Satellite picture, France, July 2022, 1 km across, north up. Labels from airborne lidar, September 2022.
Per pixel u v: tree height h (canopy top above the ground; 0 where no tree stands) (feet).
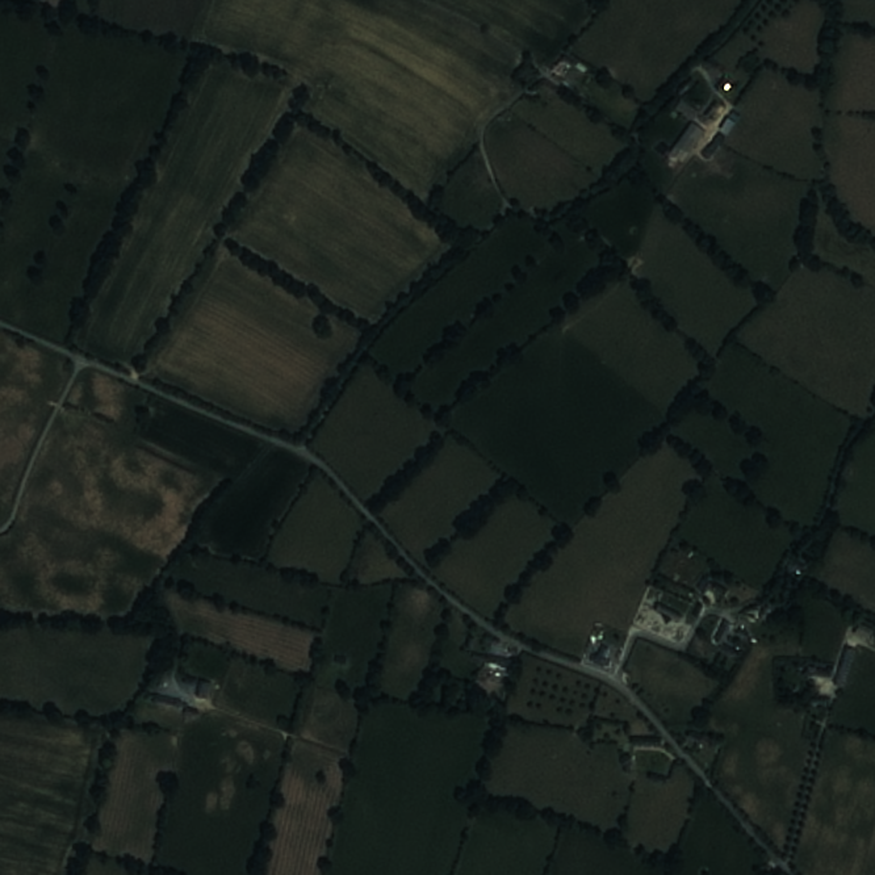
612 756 0
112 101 0
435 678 64
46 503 0
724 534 0
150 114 0
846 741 0
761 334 0
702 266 0
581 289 44
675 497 0
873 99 0
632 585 0
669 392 0
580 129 0
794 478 0
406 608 0
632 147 35
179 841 0
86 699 0
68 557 0
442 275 31
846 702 0
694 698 0
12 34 0
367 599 0
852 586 0
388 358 0
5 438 0
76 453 0
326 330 60
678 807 0
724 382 0
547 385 0
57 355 0
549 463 0
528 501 20
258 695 0
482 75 0
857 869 0
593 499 24
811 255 44
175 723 0
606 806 0
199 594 49
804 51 0
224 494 45
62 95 0
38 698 0
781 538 0
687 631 0
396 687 0
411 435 0
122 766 0
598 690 21
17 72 0
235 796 0
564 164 0
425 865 0
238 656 48
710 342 0
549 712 0
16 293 0
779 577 41
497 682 0
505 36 0
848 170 0
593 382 0
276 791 30
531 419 0
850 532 28
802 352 0
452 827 0
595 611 0
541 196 0
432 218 59
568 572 0
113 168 0
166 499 0
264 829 51
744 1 31
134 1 0
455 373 0
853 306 0
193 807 0
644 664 0
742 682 0
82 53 0
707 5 0
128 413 0
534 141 0
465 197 0
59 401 0
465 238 48
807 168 0
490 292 0
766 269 0
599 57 0
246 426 21
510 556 0
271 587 0
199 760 0
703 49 33
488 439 0
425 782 0
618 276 47
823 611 0
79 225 0
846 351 0
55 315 0
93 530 0
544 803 0
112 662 0
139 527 0
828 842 0
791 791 0
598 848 0
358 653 0
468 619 28
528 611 0
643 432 0
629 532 0
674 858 62
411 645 0
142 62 0
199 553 51
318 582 48
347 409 0
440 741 0
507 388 0
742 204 0
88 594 0
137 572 0
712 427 0
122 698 0
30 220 0
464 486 0
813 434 0
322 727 0
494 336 0
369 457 0
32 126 0
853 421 25
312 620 0
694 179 0
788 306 0
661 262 0
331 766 0
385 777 0
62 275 0
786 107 0
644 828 0
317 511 0
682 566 0
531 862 0
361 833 0
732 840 0
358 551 20
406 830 0
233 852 0
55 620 35
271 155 58
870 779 0
